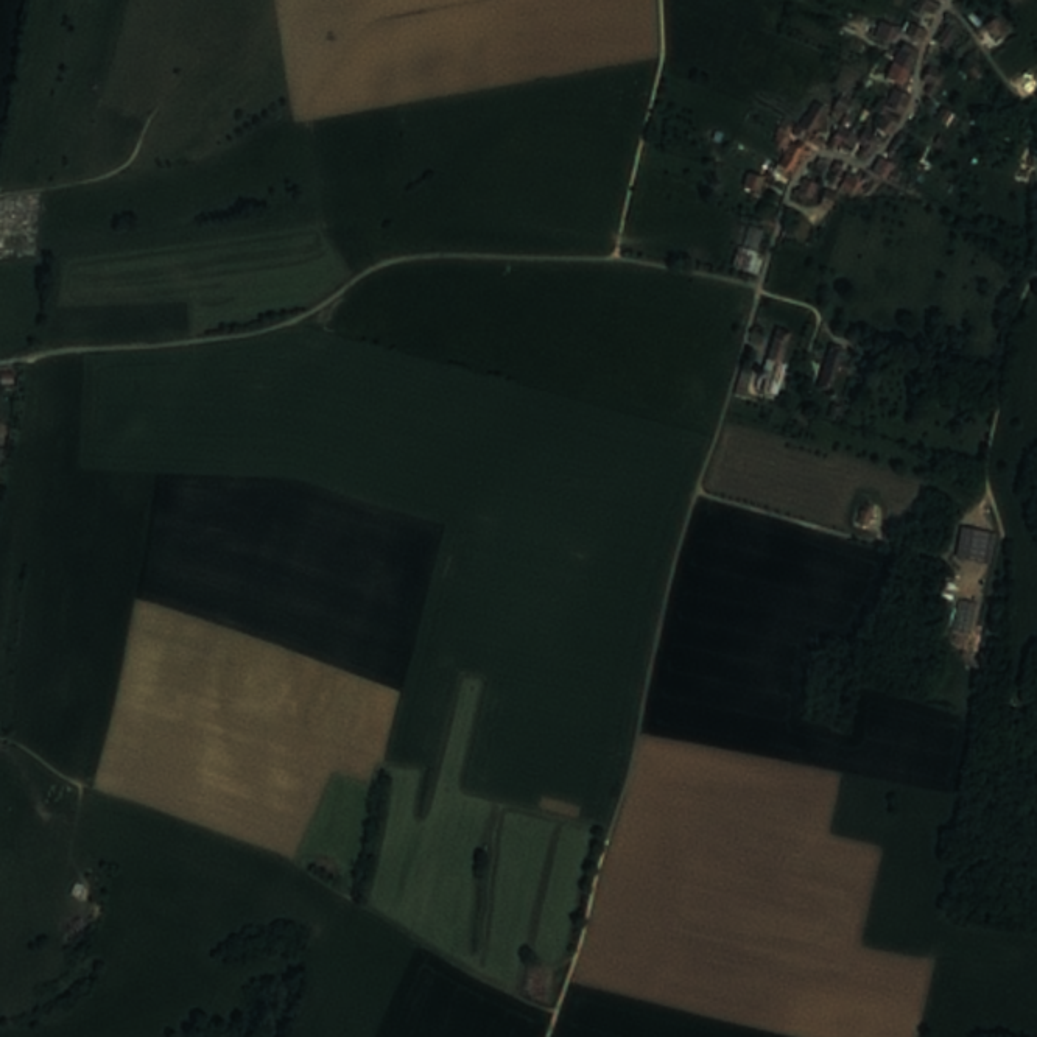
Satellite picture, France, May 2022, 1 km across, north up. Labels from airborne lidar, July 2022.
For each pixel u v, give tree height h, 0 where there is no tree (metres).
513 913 0
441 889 0
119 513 0
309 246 0
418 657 0
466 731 0
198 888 0
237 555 0
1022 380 0
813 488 0
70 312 0
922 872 0
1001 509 0
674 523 0
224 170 0
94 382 0
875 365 21
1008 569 11
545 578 0
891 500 0
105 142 0
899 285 0
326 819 0
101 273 0
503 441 0
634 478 0
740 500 6
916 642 23
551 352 0
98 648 0
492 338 0
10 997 0
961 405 19
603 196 0
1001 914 16
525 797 0
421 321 0
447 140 0
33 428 0
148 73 0
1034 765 18
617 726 0
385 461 0
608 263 0
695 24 0
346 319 0
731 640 0
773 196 13
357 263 0
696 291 0
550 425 0
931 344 15
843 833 0
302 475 0
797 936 0
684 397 0
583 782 0
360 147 0
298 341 0
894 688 17
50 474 0
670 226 0
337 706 0
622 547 0
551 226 0
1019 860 16
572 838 0
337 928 0
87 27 0
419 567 0
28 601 0
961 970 0
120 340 0
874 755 0
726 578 0
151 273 0
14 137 0
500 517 0
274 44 0
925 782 0
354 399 0
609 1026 0
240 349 0
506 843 0
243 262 0
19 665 0
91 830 0
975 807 20
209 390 0
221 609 0
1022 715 14
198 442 0
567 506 0
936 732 0
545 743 0
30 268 0
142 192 0
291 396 0
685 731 0
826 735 0
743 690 0
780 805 0
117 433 0
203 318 0
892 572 18
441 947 0
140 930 0
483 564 0
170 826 0
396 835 0
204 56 0
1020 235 9
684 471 0
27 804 0
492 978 0
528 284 0
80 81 0
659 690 0
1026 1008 0
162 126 0
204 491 0
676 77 0
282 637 0
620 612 0
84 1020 0
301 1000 13
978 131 14
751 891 0
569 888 0
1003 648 13
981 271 0
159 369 0
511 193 0
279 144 0
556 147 0
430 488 0
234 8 0
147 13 0
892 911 0
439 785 0
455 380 0
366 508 0
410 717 0
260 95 0
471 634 0
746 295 0
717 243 0
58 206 0
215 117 0
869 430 13
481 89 0
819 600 0
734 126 0
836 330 14
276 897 0
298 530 0
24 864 0
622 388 0
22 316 0
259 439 0
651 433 0
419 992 0
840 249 0
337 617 0
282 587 0
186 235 0
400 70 0
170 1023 0
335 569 0
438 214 0
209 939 0
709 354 0
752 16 0
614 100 0
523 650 0
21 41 9
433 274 0
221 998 0
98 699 0
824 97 0
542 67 0
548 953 0
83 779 0
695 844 0
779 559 0
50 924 0
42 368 0
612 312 0
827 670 16
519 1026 0
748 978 0
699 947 0
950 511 20
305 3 0
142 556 0
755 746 0
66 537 0
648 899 0
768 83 0
